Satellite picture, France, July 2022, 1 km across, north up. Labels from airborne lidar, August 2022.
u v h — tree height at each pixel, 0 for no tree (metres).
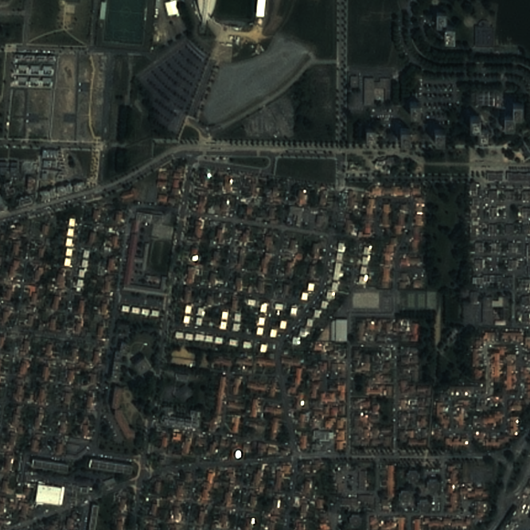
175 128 0
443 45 16
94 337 7
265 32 0
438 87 10
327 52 0
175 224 10
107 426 9
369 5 0
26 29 0
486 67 14
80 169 0
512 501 0
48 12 0
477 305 0
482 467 0
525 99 13
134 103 0
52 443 11
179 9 17
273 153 0
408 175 6
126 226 0
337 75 0
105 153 0
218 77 0
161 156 0
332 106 0
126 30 0
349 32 0
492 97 0
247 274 0
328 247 0
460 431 0
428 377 17
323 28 0
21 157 0
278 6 0
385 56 0
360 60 0
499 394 9
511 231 0
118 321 7
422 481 9
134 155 0
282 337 0
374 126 17
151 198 0
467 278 10
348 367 0
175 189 0
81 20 0
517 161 7
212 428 0
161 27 0
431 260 15
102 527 0
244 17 0
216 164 0
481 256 0
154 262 0
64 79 0
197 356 14
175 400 0
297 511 8
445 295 8
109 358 6
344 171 7
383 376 0
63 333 0
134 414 0
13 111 0
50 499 0
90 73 0
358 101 0
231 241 0
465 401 0
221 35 0
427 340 13
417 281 0
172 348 10
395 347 0
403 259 0
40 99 0
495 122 11
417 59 14
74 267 0
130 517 15
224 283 0
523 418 7
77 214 0
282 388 0
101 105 0
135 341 0
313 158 0
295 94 6
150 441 9
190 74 6
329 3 0
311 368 0
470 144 16
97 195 0
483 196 0
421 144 7
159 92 6
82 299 0
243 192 6
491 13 12
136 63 0
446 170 0
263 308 0
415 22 18
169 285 8
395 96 18
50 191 0
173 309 10
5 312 0
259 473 0
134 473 12
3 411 0
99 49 0
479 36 0
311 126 11
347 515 8
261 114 0
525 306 0
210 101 0
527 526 0
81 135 0
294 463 0
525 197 0
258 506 0
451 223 0
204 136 0
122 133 15
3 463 7
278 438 10
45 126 0
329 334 0
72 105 0
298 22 0
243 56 0
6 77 0
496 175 0
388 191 0
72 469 7
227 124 0
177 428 0
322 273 0
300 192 0
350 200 0
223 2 0
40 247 0
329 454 0
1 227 7
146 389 28
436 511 0
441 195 13
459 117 17
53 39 0
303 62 0
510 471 0
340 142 6
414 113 0
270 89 0
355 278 0
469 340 15
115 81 0
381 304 0
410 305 0
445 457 0
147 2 0
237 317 0
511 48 0
